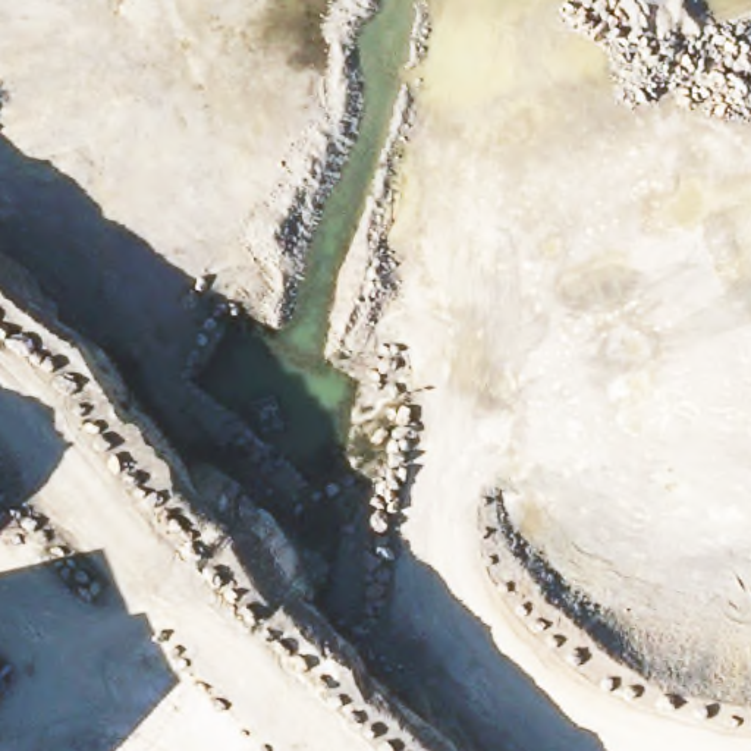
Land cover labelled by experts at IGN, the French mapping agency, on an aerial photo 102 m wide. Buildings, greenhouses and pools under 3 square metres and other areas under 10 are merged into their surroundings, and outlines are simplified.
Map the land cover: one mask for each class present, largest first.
<instances>
[{"label":"pervious surface","instance_id":"1","mask_svg":"<svg viewBox=\"0 0 751 751\"><path fill-rule=\"evenodd\" d=\"M267 0H0V751H751V0H414L408 59L399 70L393 114L376 155V173L367 188L364 211L346 261L337 273L331 326L326 340L329 364L358 378L361 387L352 405L349 431L343 434L329 408L320 405V399L305 387V381L279 364V358L264 343V334L273 326H279L285 293V252L276 243V232L290 211L302 176L311 173V158L326 153L323 135L337 132L343 126V44H349L355 18L367 15L370 0H334L323 21L329 67L296 70L287 65V56L282 50H264L261 23Z\"/></svg>","mask_w":751,"mask_h":751},{"label":"water","instance_id":"2","mask_svg":"<svg viewBox=\"0 0 751 751\"><path fill-rule=\"evenodd\" d=\"M334 0H267L261 23L264 50H282L287 56V65L296 70L329 67L323 21ZM414 0H370L367 15L355 18L349 44H343V126L337 132L323 135L326 153L311 158V173L302 176L290 211L276 232V243L285 252V293L279 326H273L264 334V343L279 358V364L305 381V387L320 399V405L329 408L343 434L349 431L352 405L361 387L358 378L329 364L326 340L331 326L337 273L346 261L364 211L367 188L376 173V155L393 114L399 70L408 59Z\"/></svg>","mask_w":751,"mask_h":751}]
</instances>
